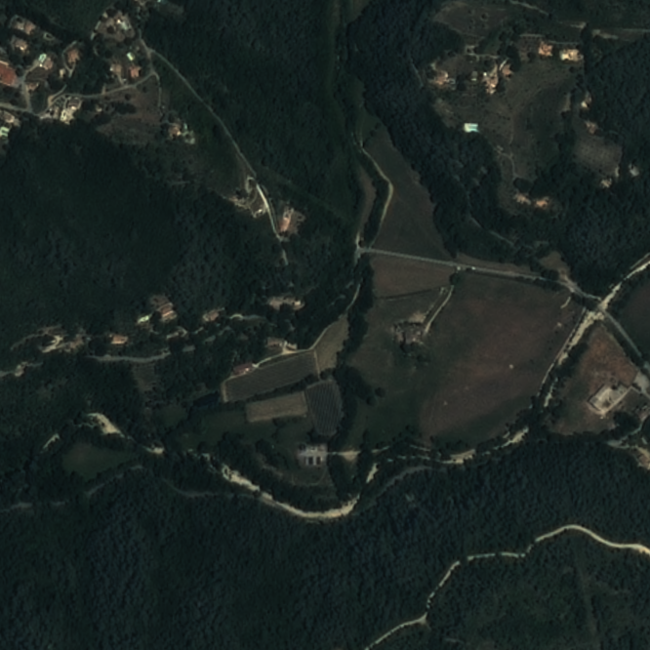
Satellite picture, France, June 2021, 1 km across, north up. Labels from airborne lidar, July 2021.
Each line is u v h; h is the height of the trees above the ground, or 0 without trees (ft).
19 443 61
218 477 43
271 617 37
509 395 0
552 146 0
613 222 43
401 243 0
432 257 0
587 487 70
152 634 54
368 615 49
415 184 0
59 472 65
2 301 28
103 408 61
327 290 32
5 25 26
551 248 40
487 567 21
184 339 36
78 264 54
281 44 55
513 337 0
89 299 30
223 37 55
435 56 36
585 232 56
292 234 22
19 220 28
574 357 41
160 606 59
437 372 0
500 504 64
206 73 22
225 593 55
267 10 44
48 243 25
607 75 54
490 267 0
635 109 34
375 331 0
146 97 0
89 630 56
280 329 46
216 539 67
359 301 32
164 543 26
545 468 52
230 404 42
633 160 31
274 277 50
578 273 37
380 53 50
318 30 61
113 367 59
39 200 34
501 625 48
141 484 29
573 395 0
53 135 33
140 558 66
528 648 39
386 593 36
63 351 32
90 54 29
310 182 34
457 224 27
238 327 51
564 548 23
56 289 26
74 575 61
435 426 0
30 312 33
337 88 23
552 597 33
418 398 0
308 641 32
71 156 42
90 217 23
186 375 39
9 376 33
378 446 29
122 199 31
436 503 21
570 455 44
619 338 25
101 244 21
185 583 47
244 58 45
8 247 26
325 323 46
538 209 28
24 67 23
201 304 24
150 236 31
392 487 35
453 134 48
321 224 31
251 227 30
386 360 0
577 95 56
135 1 22
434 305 0
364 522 59
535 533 36
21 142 43
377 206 36
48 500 28
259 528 54
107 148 59
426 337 0
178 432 54
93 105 27
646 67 39
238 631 47
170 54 34
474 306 0
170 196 49
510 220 35
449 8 0
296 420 22
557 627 52
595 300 27
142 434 77
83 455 0
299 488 25
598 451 40
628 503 47
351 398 52
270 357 0
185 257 69
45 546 20
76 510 18
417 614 34
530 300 0
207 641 60
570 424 0
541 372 0
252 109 23
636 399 0
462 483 32
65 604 38
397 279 0
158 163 25
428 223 0
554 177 56
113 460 0
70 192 25
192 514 67
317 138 33
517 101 0
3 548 55
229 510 55
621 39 20
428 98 37
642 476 32
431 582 42
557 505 56
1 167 33
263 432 0
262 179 25
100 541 45
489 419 0
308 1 45
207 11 32
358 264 31
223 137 40
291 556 58
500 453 44
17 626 77
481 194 51
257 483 48
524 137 0
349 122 27
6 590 38
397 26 57
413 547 23
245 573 60
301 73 43
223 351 49
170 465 62
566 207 53
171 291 29
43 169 32
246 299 54
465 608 52
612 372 0
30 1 33
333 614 62
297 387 43
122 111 44
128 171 40
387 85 54
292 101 40
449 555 40
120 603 32
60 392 44
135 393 51
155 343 34
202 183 21
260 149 24
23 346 23
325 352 0
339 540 40
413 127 68
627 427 44
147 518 51
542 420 39
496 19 0
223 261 24
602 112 32
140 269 25
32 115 27
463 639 39
